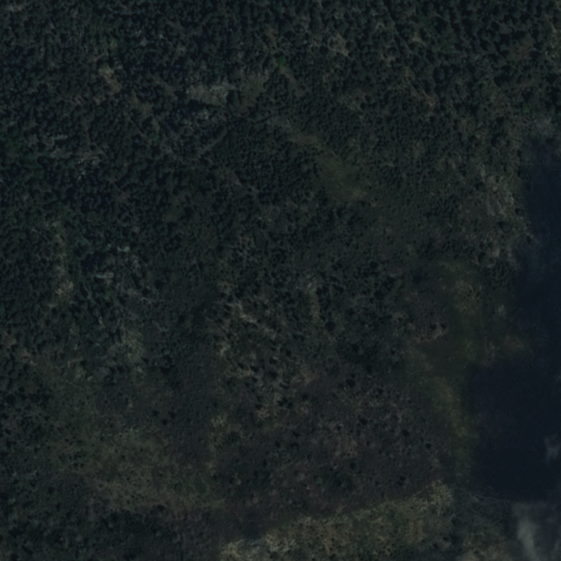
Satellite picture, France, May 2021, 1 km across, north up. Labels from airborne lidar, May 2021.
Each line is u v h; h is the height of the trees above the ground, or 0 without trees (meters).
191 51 11
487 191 15
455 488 0
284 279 9
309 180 13
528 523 0
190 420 12
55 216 16
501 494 0
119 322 6
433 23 13
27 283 21
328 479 6
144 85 35
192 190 15
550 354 0
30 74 30
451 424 0
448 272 0
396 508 0
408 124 15
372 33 23
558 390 0
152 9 25
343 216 21
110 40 21
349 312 6
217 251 8
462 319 0
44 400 8
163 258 9
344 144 14
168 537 6
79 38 12
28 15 20
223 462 8
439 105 6
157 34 21
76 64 16
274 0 29
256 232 18
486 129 8
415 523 8
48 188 25
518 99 16
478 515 0
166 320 11
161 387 6
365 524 0
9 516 17
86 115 15
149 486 0
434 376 0
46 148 27
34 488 13
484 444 0
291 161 18
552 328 0
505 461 0
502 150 10
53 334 7
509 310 0
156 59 29
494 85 10
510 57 31
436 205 9
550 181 7
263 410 23
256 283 9
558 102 29
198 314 7
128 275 7
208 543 7
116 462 0
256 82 0
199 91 0
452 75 22
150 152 31
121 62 11
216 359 8
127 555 7
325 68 15
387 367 10
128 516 7
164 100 35
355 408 0
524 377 0
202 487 0
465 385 0
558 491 0
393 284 21
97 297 7
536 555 6
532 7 18
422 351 0
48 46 15
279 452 8
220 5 29
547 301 0
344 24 26
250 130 10
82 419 0
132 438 0
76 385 0
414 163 9
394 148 9
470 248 9
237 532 8
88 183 17
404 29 31
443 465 0
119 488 0
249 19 26
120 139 38
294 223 18
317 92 16
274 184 14
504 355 0
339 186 0
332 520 0
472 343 0
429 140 17
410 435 19
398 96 7
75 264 7
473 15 39
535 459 0
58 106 24
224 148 16
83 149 20
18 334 9
